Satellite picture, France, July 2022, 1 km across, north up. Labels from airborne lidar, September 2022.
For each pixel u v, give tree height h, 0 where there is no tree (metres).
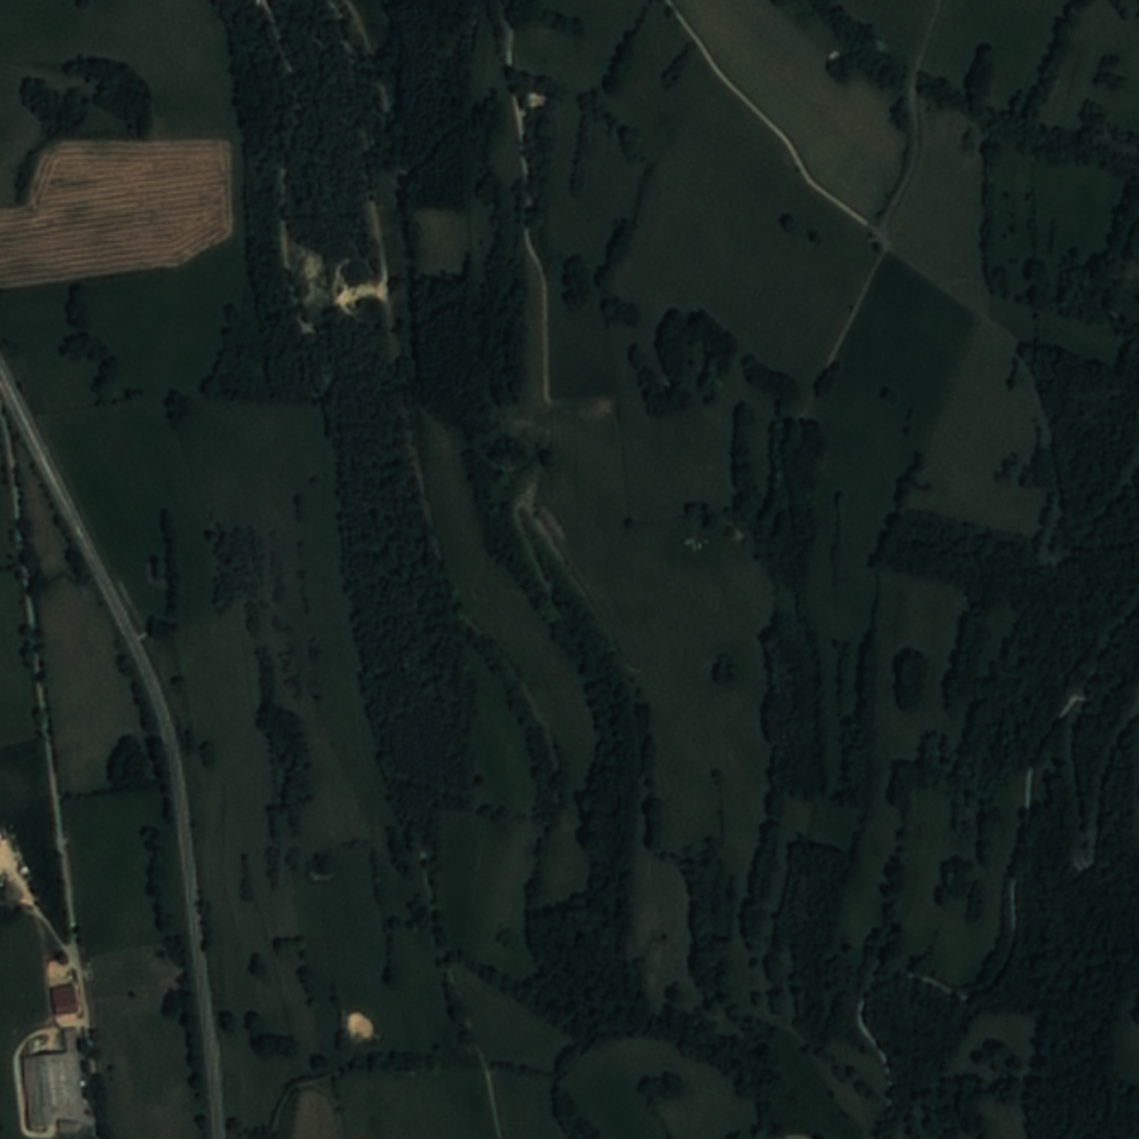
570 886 0
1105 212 0
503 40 9
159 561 19
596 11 0
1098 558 12
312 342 12
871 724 20
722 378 12
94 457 0
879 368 0
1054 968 14
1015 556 10
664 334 16
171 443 0
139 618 0
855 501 0
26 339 0
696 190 0
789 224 15
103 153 0
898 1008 13
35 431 0
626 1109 0
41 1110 0
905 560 16
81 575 17
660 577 0
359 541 18
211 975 0
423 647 16
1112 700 17
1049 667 16
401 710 20
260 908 0
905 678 19
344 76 17
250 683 0
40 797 0
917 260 0
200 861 0
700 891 17
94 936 0
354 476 17
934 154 0
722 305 0
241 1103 0
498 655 10
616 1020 17
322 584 0
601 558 0
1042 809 17
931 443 0
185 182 0
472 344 18
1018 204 0
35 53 0
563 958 17
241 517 0
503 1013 0
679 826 0
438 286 26
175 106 0
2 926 16
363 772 0
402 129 24
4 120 0
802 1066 0
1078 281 13
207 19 0
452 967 13
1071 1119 13
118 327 0
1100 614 17
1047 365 17
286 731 18
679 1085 16
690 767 0
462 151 22
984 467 0
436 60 26
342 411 15
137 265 0
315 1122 0
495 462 8
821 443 20
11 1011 0
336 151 12
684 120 0
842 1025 10
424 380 25
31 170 8
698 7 0
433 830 8
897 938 8
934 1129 16
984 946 0
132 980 0
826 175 0
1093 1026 16
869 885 0
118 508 0
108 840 0
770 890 19
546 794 9
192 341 0
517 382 15
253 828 0
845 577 0
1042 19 0
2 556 0
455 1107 0
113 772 17
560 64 0
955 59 0
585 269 17
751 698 0
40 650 15
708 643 0
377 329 11
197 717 0
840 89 0
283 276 9
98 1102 15
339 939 0
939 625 0
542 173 10
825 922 11
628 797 19
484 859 0
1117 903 18
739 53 0
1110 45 0
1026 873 6
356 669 0
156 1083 0
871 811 14
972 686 14
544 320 0
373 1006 0
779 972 16
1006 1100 17
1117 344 0
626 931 20
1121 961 22
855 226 0
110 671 0
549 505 0
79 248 0
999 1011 11
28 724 0
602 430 0
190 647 0
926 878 0
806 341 0
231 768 0
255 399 6
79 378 0
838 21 13
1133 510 13
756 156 0
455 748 17
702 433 0
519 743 0
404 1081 0
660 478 0
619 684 8
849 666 8
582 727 0
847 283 0
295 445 0
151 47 0
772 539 14
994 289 11
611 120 13
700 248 0
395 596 20
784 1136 17
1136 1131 15
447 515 0
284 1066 0
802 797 12
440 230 0
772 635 17
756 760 0
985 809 15
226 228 0
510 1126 0
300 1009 0
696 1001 0
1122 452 14
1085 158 11
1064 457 13
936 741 14
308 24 14
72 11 0
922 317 0
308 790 14
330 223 12
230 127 0
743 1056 13
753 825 0
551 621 10
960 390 0
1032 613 17
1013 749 16
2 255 0
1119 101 0
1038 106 16
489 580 0
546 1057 0
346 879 0
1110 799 12
